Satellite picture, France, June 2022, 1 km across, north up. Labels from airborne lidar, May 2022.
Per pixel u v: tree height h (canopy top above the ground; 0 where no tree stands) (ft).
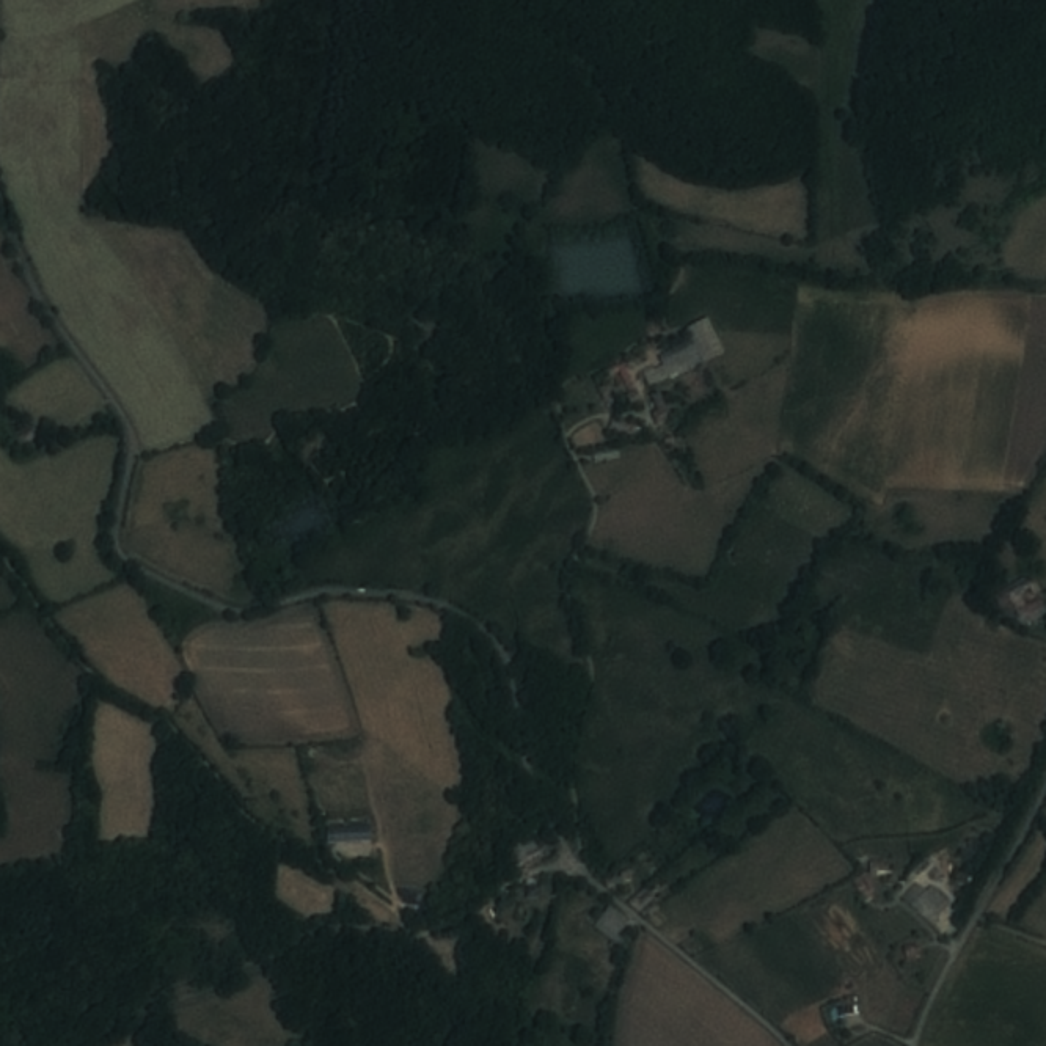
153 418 0
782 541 0
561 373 36
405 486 72
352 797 0
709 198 0
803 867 0
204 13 43
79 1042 50
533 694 64
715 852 87
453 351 64
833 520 0
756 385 0
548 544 0
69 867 61
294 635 0
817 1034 0
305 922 29
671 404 46
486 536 0
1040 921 0
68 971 48
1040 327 0
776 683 33
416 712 0
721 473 0
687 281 0
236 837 40
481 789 49
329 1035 47
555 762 59
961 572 32
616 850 0
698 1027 0
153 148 79
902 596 0
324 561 0
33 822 0
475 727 21
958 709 0
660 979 0
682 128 80
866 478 0
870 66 84
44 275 0
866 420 0
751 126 75
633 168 31
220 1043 0
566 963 0
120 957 61
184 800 36
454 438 89
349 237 61
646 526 0
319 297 52
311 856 35
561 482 0
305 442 62
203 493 0
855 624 0
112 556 57
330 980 36
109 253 0
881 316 0
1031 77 49
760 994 0
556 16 97
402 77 98
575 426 0
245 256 62
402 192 40
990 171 26
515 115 87
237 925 31
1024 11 61
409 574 0
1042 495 0
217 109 81
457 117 77
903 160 46
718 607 0
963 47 66
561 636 0
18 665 0
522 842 39
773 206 0
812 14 77
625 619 0
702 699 0
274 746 0
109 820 0
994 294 0
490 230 0
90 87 0
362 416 50
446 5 90
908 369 0
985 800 55
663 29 61
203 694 0
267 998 0
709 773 54
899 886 25
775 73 76
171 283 0
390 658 0
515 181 0
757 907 0
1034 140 33
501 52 87
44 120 0
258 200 106
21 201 0
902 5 89
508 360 60
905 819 0
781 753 0
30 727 0
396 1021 31
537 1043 44
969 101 52
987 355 0
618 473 0
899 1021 0
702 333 0
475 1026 64
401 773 0
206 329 0
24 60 0
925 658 0
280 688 0
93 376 0
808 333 0
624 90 97
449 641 54
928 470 0
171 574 0
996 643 0
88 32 0
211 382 0
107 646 0
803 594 83
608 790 0
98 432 26
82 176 0
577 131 62
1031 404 0
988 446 0
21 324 0
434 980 49
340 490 19
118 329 0
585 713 37
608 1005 53
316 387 0
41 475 0
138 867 61
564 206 0
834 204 0
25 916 64
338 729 0
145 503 0
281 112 32
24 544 0
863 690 0
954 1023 0
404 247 64
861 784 0
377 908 0
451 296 70
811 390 0
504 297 77
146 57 75
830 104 0
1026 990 0
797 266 41
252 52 36
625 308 57
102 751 0
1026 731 0
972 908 35
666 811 70
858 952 0
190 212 46
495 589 0
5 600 0
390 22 94
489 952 62
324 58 35
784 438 0
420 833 0
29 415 25
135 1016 47
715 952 0
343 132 92
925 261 38
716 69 60
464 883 45
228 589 0
